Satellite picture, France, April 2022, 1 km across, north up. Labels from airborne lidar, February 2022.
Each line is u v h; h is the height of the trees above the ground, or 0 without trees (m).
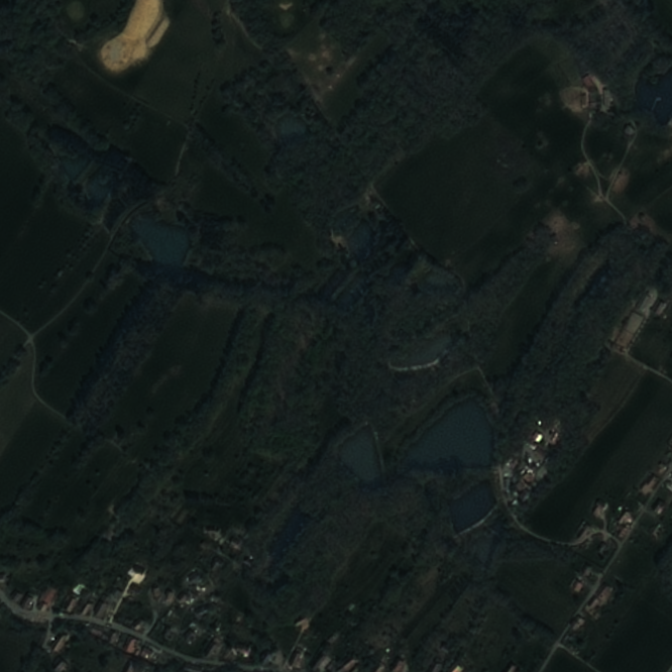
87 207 19
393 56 21
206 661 0
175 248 0
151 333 28
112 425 0
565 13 0
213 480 0
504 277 16
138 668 21
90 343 0
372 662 9
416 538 16
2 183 0
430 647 15
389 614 8
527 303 0
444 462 0
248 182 15
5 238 0
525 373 22
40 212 0
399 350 19
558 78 0
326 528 22
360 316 23
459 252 0
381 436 11
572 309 24
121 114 0
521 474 9
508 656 7
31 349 0
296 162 26
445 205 0
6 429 0
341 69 0
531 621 18
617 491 0
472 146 0
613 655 0
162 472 22
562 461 16
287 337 24
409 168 0
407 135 16
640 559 0
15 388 0
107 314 0
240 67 0
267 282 15
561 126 0
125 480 0
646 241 15
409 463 0
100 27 9
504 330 0
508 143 0
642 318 0
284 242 0
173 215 0
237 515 0
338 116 0
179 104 0
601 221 0
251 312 20
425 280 0
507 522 8
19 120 20
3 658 0
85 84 0
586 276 24
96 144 23
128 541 23
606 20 25
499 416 16
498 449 18
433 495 17
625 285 22
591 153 0
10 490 0
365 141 13
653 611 0
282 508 20
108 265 0
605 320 22
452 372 27
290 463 15
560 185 0
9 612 7
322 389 19
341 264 0
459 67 20
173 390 0
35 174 0
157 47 0
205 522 0
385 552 0
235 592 0
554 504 0
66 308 0
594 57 27
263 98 9
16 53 18
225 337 0
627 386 0
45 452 0
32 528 19
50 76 11
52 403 0
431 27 15
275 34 8
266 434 24
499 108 0
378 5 10
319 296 6
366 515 26
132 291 0
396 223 23
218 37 10
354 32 20
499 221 0
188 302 0
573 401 20
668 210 0
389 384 17
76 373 0
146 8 0
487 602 26
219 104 0
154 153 0
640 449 0
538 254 15
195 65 0
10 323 0
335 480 27
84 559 16
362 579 0
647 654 0
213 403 20
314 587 24
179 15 0
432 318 12
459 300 19
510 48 22
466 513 0
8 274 0
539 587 0
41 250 0
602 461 0
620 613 0
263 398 23
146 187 27
